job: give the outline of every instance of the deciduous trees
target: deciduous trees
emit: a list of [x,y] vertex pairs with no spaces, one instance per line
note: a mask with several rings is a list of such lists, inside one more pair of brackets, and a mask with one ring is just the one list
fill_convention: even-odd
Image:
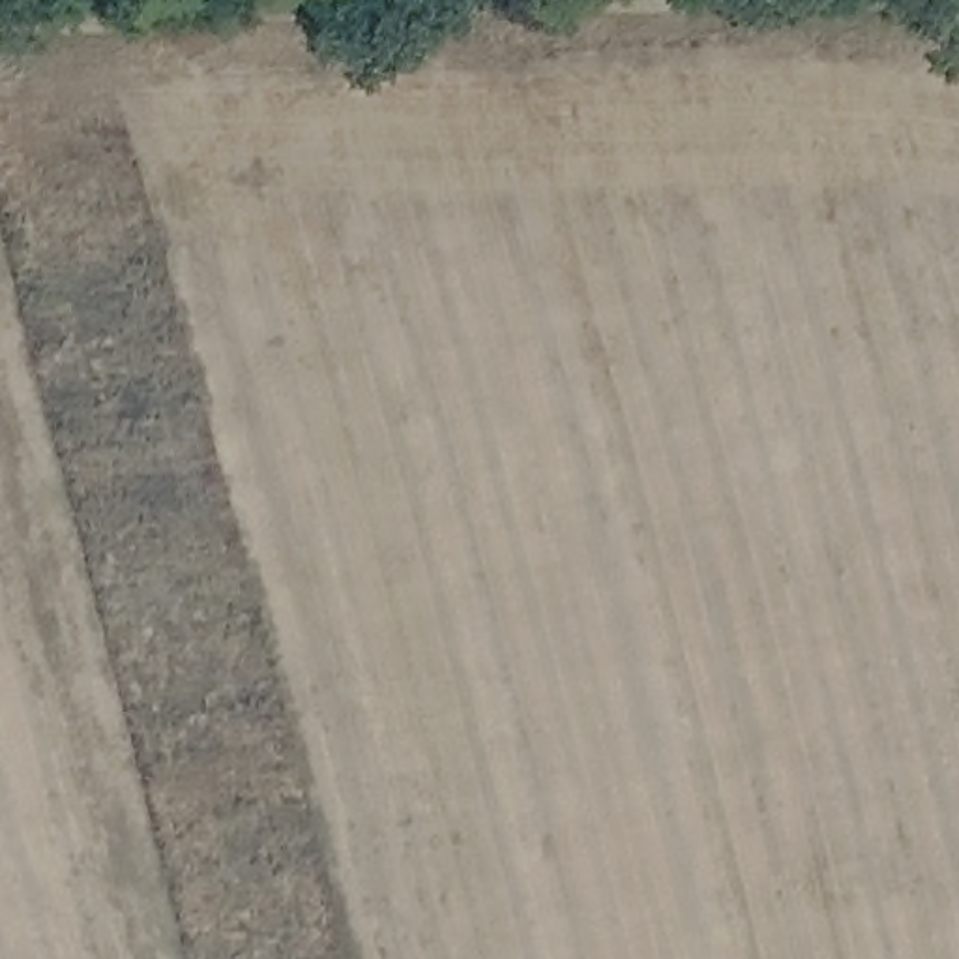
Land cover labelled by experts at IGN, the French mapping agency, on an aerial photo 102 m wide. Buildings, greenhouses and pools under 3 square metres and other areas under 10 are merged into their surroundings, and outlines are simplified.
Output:
[[596,15],[614,0],[487,0],[487,7],[494,7],[502,19],[521,22],[536,34],[577,34],[581,19]]
[[884,0],[884,22],[907,26],[910,34],[937,41],[937,49],[925,56],[929,67],[948,82],[959,79],[959,0]]
[[730,34],[809,26],[813,19],[828,15],[854,22],[858,11],[877,0],[667,0],[678,11],[712,11],[727,22]]
[[416,71],[427,56],[438,52],[442,37],[468,34],[468,4],[476,0],[0,0],[0,52],[49,52],[49,45],[60,34],[60,22],[82,22],[94,15],[105,26],[116,26],[124,37],[180,37],[199,30],[236,37],[255,26],[258,11],[288,11],[307,34],[307,52],[326,64],[345,64],[345,79],[352,86],[375,90],[378,82],[401,71]]

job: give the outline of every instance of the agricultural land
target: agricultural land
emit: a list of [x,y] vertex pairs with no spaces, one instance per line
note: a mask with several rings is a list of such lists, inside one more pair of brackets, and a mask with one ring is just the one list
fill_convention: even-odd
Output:
[[30,382],[22,326],[15,318],[15,288],[0,247],[0,959],[180,959],[169,895],[150,843],[139,775],[131,768],[131,742],[124,730],[116,689],[105,678],[105,644],[94,626],[90,592],[82,581],[82,554],[64,502],[64,483],[56,472],[41,401]]
[[277,659],[288,686],[288,704],[300,719],[300,734],[311,753],[315,805],[326,813],[330,824],[330,843],[337,858],[333,880],[345,892],[360,959],[959,959],[959,79],[948,82],[929,67],[918,79],[895,79],[877,60],[832,64],[817,52],[805,52],[802,60],[753,60],[742,45],[704,45],[701,56],[686,67],[686,82],[674,86],[667,64],[599,64],[599,52],[532,60],[528,71],[453,71],[438,52],[427,56],[416,71],[401,71],[378,82],[375,90],[352,86],[345,94],[326,86],[318,97],[300,101],[296,94],[288,94],[288,82],[277,79],[270,67],[232,64],[221,75],[206,79],[202,64],[195,60],[191,79],[184,82],[154,86],[142,71],[127,75],[131,90],[124,90],[116,101],[131,131],[131,146],[142,161],[154,217],[169,232],[169,273],[184,303],[191,352],[206,371],[217,461],[229,480],[247,558],[258,566],[266,588],[266,614],[277,633]]

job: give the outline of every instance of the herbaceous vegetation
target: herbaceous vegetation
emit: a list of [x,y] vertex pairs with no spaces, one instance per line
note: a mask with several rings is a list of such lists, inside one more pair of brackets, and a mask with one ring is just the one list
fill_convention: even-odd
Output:
[[753,60],[802,60],[805,52],[817,52],[832,64],[877,60],[895,79],[918,79],[929,67],[925,56],[937,49],[937,41],[910,34],[907,26],[884,22],[884,0],[877,0],[858,11],[854,22],[828,15],[813,19],[809,26],[730,34],[727,22],[712,11],[678,11],[667,0],[614,0],[596,15],[581,19],[577,34],[536,34],[521,22],[502,19],[494,7],[487,7],[487,0],[476,0],[468,4],[468,34],[442,37],[438,52],[453,71],[528,71],[532,60],[599,52],[599,64],[667,64],[674,86],[686,82],[686,67],[701,56],[704,45],[742,45]]
[[131,768],[139,775],[150,843],[169,895],[180,959],[360,959],[345,892],[333,880],[337,858],[330,843],[330,824],[326,813],[315,805],[311,753],[300,734],[300,719],[288,704],[288,686],[277,659],[277,633],[266,614],[266,588],[258,566],[247,558],[229,480],[217,461],[206,371],[191,352],[184,303],[169,273],[169,232],[154,217],[142,161],[131,146],[131,131],[116,101],[124,90],[131,90],[127,75],[142,71],[154,86],[184,82],[191,79],[195,60],[202,64],[206,79],[221,75],[232,64],[270,67],[277,79],[288,82],[288,94],[296,94],[300,101],[318,97],[326,86],[345,94],[352,86],[345,79],[345,64],[326,64],[307,52],[307,34],[288,11],[258,11],[255,26],[236,37],[199,30],[180,37],[124,37],[116,26],[105,26],[94,15],[82,22],[60,22],[60,34],[49,45],[49,52],[0,52],[0,247],[15,288],[15,318],[22,326],[30,382],[41,401],[56,472],[64,483],[64,502],[82,554],[82,581],[90,592],[94,626],[105,644],[105,678],[116,689],[124,730],[131,742]]

